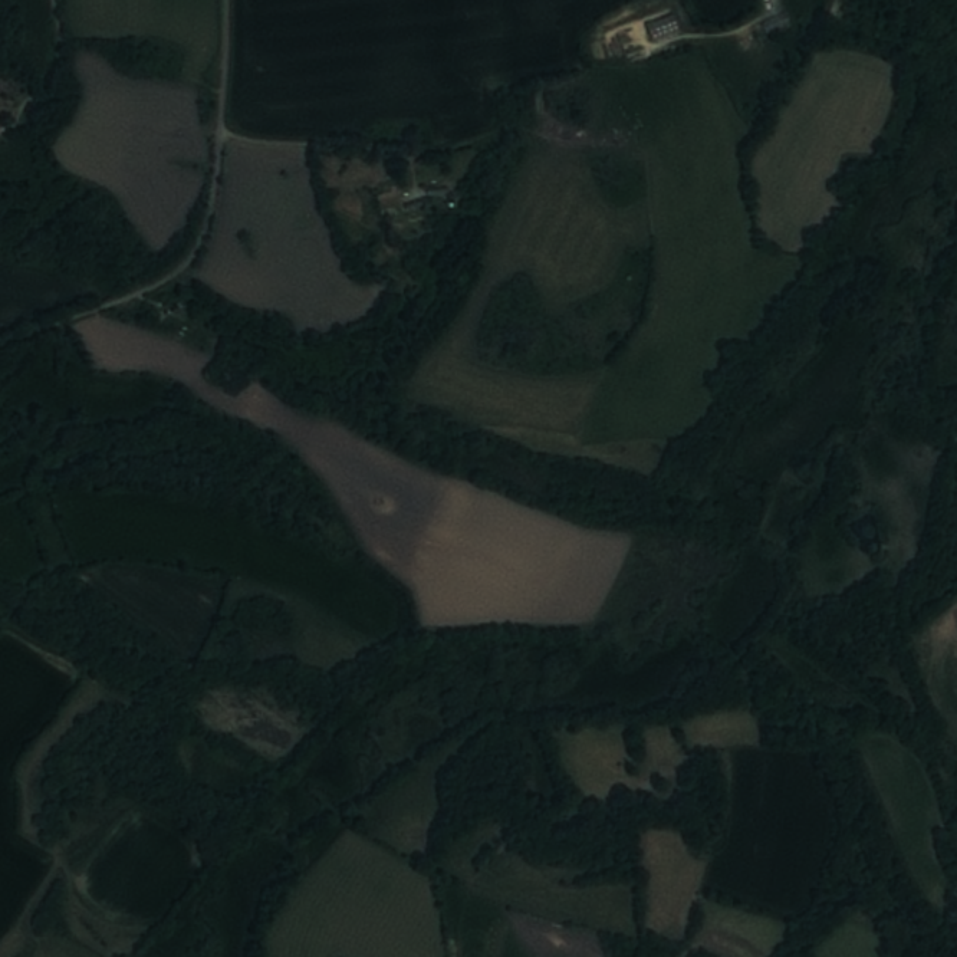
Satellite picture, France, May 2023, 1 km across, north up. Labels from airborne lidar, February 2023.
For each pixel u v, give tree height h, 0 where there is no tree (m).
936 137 0
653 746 0
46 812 6
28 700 0
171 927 8
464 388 0
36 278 0
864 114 0
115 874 0
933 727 16
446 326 12
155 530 0
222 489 21
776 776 0
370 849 0
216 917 0
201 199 8
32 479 12
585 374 0
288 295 0
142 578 0
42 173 7
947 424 8
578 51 6
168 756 18
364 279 14
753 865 0
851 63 0
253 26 0
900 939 28
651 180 0
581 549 0
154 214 0
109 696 0
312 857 0
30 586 9
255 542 0
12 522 0
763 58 0
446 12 0
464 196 6
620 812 18
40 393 0
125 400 0
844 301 29
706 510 12
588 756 0
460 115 0
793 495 8
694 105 0
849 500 12
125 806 0
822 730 15
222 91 0
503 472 0
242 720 0
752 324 0
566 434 0
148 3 0
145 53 7
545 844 22
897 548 0
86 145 0
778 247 13
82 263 13
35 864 0
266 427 0
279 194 0
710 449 12
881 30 8
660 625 0
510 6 0
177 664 15
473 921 0
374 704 12
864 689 12
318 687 15
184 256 11
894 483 0
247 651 13
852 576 0
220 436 20
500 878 0
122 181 0
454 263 35
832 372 0
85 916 0
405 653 15
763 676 16
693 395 0
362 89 0
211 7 0
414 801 0
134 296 0
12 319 0
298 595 0
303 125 0
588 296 0
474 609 0
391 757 0
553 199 0
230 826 17
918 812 0
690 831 19
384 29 0
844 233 9
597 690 0
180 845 0
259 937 16
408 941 0
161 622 0
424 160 10
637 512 10
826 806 0
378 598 0
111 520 0
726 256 0
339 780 0
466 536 0
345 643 0
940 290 13
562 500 13
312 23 0
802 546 9
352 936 0
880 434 0
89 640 18
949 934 22
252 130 0
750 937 0
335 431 0
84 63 0
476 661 0
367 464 0
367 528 0
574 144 0
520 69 0
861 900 24
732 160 0
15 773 9
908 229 0
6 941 0
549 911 0
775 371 9
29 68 15
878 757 0
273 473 14
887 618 12
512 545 0
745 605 0
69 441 22
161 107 0
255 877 0
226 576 11
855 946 0
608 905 0
